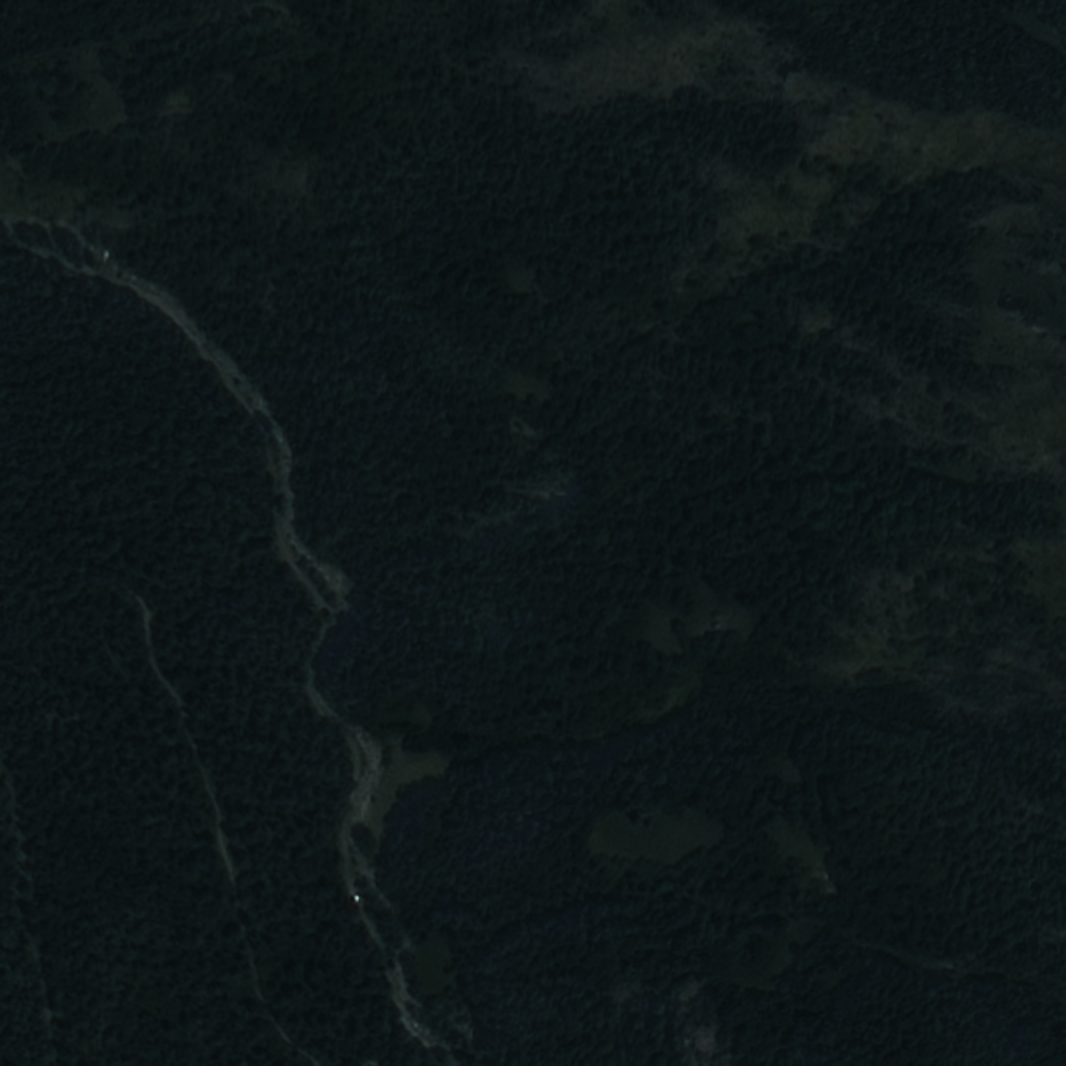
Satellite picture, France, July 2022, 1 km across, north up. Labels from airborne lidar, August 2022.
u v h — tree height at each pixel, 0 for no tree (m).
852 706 6
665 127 7
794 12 13
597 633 18
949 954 19
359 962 19
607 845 0
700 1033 0
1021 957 23
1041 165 0
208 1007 21
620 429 24
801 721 10
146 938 10
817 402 6
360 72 8
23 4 15
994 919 20
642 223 22
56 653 19
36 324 30
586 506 17
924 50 13
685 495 9
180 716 15
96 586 28
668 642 0
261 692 28
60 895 23
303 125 13
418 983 8
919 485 16
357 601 9
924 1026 19
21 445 14
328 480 9
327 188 16
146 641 10
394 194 17
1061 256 0
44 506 23
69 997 23
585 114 11
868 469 25
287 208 9
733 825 10
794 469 16
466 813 25
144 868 23
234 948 15
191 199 17
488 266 18
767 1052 17
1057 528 13
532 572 24
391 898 11
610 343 7
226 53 13
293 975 23
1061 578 0
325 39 16
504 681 22
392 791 0
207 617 23
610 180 27
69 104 18
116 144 6
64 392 16
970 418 7
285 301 11
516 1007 34
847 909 14
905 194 13
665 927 25
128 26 19
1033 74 9
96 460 30
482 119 14
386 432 18
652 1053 16
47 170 8
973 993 9
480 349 19
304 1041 16
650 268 17
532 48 7
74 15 18
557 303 15
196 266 18
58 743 23
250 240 22
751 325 7
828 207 7
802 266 21
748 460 14
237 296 8
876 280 22
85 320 9
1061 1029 25
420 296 24
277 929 29
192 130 8
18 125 25
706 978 11
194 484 30
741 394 10
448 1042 24
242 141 13
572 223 15
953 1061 14
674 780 24
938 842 15
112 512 30
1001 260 0
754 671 9
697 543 23
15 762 14
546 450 15
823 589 21
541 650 17
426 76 16
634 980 8
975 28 14
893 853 13
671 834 0
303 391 13
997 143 0
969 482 0
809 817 25
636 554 17
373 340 25
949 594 8
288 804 31
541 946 35
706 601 0
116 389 8
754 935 10
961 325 8
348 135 9
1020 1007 16
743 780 32
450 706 16
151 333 23
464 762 7
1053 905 14
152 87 19
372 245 9
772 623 10
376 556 18
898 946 20
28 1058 22
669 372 20
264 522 29
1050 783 10
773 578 25
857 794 24
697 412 7
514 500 9
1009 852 18
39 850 18
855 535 7
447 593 12
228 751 17
